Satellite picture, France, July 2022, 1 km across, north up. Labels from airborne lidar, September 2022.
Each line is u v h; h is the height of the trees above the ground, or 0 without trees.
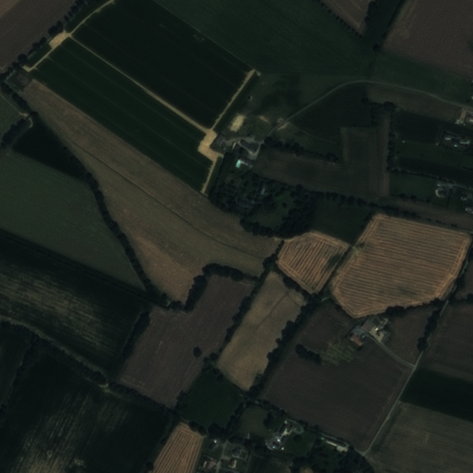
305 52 0
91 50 0
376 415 0
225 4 0
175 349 0
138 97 0
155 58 0
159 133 0
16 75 0
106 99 0
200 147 0
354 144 0
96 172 0
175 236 0
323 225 0
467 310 0
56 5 0
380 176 0
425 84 0
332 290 0
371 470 14
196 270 0
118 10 0
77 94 0
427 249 0
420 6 0
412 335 0
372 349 0
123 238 14
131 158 0
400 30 0
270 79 0
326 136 0
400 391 0
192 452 0
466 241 0
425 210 0
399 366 0
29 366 16
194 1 0
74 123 0
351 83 0
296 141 0
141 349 0
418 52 0
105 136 0
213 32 0
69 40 0
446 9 0
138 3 0
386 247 0
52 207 0
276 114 0
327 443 0
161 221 0
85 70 0
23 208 0
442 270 0
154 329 0
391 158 11
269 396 0
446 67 0
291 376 0
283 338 14
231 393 0
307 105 0
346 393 0
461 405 0
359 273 0
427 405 0
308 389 0
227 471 0
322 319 0
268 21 0
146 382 0
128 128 0
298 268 0
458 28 0
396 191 0
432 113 0
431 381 0
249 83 0
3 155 0
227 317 0
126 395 13
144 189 0
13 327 21
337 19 8
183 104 0
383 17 0
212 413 0
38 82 0
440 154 0
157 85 0
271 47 0
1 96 0
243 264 0
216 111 0
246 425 0
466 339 0
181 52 0
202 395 0
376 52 14
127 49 0
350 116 0
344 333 0
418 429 0
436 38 0
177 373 0
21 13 0
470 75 0
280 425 0
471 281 0
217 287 0
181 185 0
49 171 0
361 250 0
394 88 0
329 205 0
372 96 0
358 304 0
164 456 0
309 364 0
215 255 0
